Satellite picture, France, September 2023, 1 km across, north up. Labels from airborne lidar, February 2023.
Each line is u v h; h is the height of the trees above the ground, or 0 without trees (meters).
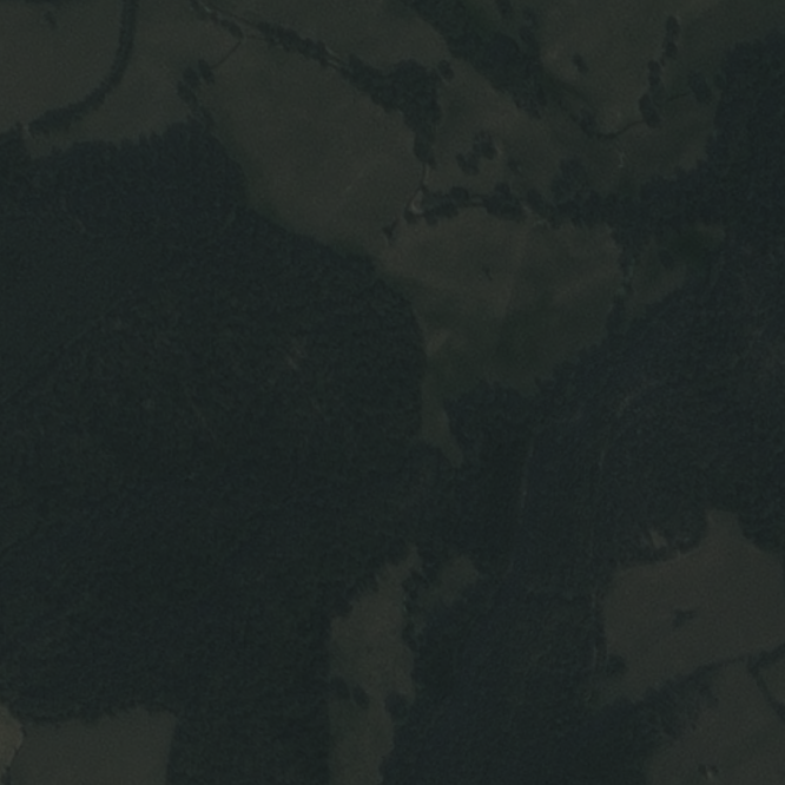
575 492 15
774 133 20
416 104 11
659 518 10
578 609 11
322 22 0
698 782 0
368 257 0
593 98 0
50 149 0
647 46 0
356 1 0
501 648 15
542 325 0
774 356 22
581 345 0
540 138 0
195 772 16
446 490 17
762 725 0
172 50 0
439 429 0
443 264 0
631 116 0
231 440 17
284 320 23
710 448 18
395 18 0
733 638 0
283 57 0
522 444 8
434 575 20
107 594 14
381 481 20
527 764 13
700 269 0
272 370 17
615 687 0
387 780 17
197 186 19
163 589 24
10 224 8
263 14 0
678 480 14
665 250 0
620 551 9
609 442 18
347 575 20
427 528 21
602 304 0
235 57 0
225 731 15
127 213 20
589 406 18
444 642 7
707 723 0
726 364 14
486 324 0
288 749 17
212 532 22
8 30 0
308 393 17
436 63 0
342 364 19
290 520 18
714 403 23
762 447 25
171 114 0
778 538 19
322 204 0
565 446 14
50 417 21
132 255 7
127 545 22
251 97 0
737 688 0
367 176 0
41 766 0
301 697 23
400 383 20
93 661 18
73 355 15
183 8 0
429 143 11
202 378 20
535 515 17
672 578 0
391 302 20
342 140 0
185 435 20
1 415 17
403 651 0
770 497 33
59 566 19
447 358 0
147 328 17
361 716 0
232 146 0
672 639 0
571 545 16
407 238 0
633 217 19
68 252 7
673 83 0
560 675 10
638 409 10
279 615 24
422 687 7
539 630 13
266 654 18
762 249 24
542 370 0
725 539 0
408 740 19
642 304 0
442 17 22
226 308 20
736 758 0
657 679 0
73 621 18
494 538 10
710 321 20
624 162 0
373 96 15
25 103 0
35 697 17
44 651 21
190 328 18
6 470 23
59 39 0
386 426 15
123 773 0
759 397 14
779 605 0
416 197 0
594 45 0
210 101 0
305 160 0
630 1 0
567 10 0
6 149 12
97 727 0
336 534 19
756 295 27
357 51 0
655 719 11
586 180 18
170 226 15
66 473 20
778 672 0
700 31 0
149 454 20
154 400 21
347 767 0
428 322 0
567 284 0
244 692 19
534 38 21
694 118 0
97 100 10
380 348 20
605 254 0
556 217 17
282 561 16
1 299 6
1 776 0
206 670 18
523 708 13
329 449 24
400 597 0
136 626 22
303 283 18
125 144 0
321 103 0
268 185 0
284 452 20
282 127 0
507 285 0
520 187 0
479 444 21
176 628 25
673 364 16
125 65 8
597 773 20
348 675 0
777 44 22
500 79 17
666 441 15
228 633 23
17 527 8
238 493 17
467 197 12
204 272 21
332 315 17
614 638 0
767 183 7
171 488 20
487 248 0
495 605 16
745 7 0
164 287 19
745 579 0
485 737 13
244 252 22
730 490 19
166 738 0
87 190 13
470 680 23
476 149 12
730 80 21
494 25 0
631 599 0
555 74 0
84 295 6
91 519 23
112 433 27
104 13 0
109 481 22
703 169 12
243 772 18
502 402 21
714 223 14
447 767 23
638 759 11
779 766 0
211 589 21
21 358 8
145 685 18
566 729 8
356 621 0
